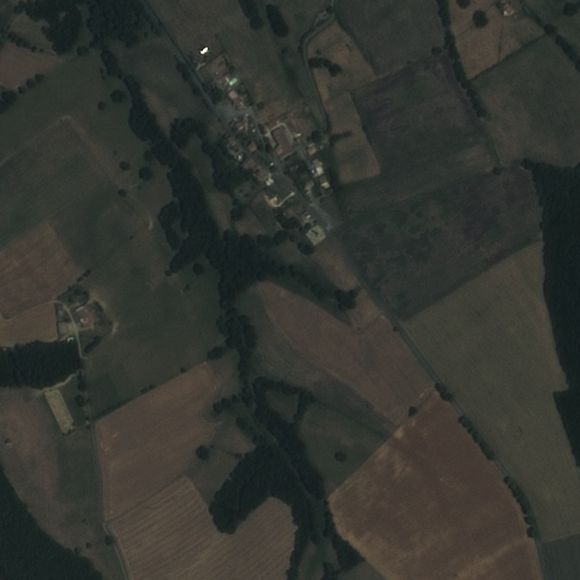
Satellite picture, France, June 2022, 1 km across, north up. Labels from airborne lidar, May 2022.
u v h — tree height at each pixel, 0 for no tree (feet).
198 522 0
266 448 81
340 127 0
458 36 0
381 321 0
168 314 0
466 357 0
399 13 0
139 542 0
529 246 0
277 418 56
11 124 0
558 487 0
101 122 0
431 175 0
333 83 0
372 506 0
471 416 0
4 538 62
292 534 0
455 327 0
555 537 0
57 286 0
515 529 0
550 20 0
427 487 0
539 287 0
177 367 0
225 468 0
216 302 0
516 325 0
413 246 0
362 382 0
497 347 0
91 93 0
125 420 0
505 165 0
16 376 60
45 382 62
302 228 31
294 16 0
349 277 0
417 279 0
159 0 0
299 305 0
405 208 0
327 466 0
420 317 0
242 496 61
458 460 0
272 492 55
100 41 65
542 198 35
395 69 0
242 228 0
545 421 0
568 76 0
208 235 69
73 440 0
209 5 0
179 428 0
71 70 0
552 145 0
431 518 0
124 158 0
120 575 0
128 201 0
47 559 52
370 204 0
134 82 74
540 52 0
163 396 0
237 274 31
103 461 0
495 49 0
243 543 0
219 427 0
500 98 0
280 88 0
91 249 0
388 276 0
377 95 0
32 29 0
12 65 0
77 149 0
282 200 0
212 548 0
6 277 0
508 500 0
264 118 0
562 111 0
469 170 0
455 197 0
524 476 0
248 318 46
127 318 0
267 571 0
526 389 0
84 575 56
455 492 0
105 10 18
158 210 0
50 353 59
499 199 0
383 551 0
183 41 0
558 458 0
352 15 0
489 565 0
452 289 0
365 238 0
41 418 0
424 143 0
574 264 59
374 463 0
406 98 0
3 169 0
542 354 0
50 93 0
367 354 0
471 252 0
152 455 0
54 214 0
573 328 49
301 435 0
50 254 0
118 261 0
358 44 0
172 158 75
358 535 0
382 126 0
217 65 0
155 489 0
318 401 31
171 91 0
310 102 0
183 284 0
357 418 0
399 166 0
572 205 38
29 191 0
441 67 0
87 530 0
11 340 0
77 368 47
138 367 0
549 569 0
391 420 0
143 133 53
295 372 0
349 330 0
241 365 48
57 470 0
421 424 0
